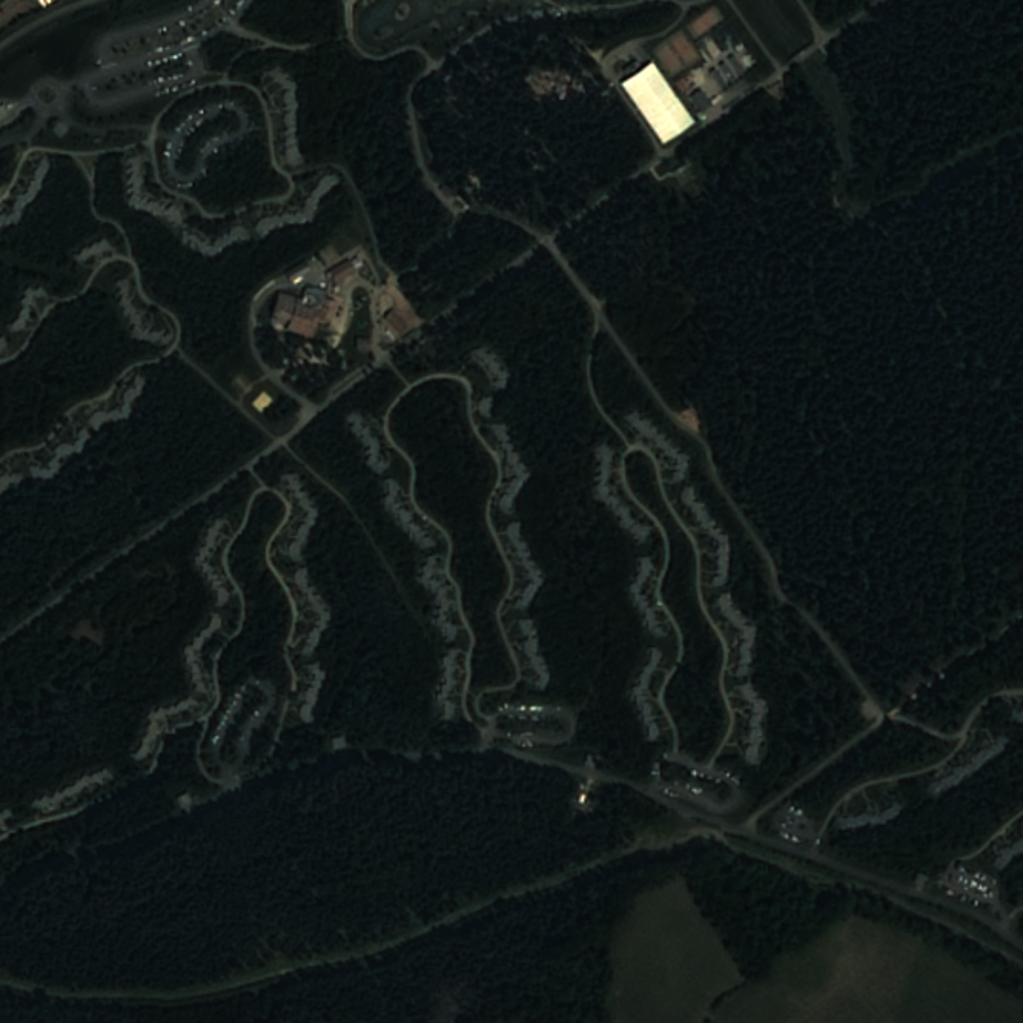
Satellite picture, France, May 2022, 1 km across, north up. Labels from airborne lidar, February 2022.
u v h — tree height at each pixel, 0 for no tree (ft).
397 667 47
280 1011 70
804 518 104
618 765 65
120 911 67
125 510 39
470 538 42
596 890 78
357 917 74
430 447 45
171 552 31
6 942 69
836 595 83
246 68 23
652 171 0
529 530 28
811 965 0
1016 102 66
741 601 28
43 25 0
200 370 0
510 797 96
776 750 25
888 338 96
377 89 45
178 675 33
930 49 101
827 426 94
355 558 44
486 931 77
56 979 64
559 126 56
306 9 49
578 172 69
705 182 0
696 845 0
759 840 0
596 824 50
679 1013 0
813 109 96
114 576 41
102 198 31
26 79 0
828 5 35
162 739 0
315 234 36
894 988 0
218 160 27
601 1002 60
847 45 20
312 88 37
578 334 56
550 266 46
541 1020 47
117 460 37
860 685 0
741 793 0
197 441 25
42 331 27
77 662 32
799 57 0
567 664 26
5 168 28
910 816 41
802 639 29
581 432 62
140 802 60
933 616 91
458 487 39
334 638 31
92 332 33
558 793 63
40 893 90
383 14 0
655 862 78
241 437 44
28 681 48
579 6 0
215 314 35
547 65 88
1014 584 83
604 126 60
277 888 74
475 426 0
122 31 0
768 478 95
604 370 43
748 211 109
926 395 98
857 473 110
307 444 42
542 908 66
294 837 60
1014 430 113
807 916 71
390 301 0
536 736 0
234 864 56
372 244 0
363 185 70
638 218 87
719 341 113
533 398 49
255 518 23
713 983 0
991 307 95
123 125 0
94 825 63
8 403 0
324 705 31
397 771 91
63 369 26
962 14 101
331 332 0
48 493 62
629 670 28
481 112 69
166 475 42
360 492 28
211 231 40
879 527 99
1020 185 90
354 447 31
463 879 68
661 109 0
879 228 30
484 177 62
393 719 76
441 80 44
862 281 106
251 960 51
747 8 0
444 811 97
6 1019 64
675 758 0
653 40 0
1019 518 113
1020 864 40
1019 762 38
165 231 32
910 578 101
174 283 43
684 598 21
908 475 99
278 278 0
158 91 0
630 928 0
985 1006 0
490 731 0
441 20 0
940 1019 0
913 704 40
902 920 39
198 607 34
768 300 122
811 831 0
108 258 0
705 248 109
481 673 40
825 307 105
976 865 0
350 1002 67
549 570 39
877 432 105
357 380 0
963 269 88
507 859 70
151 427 47
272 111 0
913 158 93
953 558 78
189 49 0
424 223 56
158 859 85
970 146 36
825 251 81
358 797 99
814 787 25
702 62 0
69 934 70
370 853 76
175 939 68
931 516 100
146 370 30
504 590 28
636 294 39
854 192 39
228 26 0
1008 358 84
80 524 49
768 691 27
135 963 61
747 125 32
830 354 79
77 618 38
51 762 70
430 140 57
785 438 87
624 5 0
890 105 103
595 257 64
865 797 0
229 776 0
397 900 62
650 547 0
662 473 0
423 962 61
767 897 52
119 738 37
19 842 31
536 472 25
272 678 52
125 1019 43
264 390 0
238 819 79
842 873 0
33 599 35
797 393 111
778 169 38
